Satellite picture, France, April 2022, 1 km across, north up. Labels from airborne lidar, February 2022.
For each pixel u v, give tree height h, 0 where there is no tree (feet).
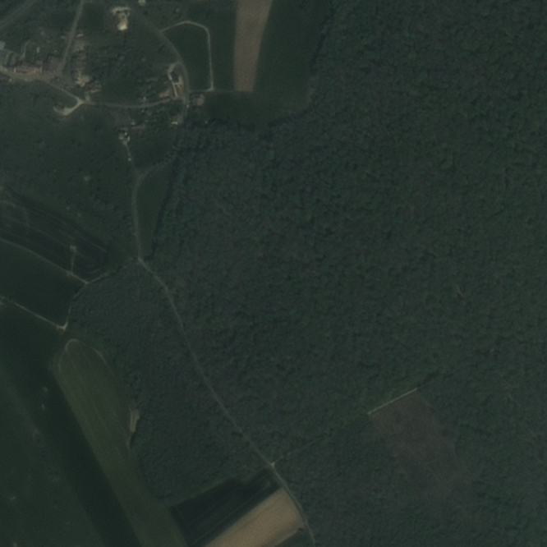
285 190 94
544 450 98
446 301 98
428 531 66
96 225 0
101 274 0
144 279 66
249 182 101
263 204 102
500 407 93
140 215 0
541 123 98
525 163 88
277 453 65
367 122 94
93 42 0
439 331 88
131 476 0
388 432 0
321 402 93
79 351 0
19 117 0
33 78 0
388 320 101
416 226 95
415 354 95
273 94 0
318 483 74
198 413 36
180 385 42
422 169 93
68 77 0
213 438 48
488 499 85
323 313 85
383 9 83
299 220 89
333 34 81
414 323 99
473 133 94
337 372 83
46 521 0
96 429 0
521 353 88
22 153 0
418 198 92
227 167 104
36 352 0
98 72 31
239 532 0
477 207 97
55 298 0
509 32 111
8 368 0
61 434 0
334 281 93
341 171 98
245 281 96
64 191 0
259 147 93
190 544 0
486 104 96
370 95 93
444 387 87
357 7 82
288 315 94
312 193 97
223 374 73
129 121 0
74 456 0
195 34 0
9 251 0
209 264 103
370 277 91
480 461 99
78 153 0
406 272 46
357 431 59
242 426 78
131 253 0
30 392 0
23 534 0
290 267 91
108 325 50
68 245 0
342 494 81
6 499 0
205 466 43
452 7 90
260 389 94
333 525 82
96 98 0
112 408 0
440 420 102
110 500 0
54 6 42
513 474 96
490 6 100
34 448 0
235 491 0
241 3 0
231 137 91
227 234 98
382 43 85
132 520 0
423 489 0
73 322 22
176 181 69
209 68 0
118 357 69
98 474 0
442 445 0
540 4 98
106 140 0
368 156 100
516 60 96
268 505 0
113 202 0
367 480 64
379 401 84
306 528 0
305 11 44
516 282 91
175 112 0
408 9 93
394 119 91
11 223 0
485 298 94
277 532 0
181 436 50
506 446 96
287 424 97
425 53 100
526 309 93
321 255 92
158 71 0
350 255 96
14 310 0
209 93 0
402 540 54
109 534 0
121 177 0
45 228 0
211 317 89
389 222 102
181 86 0
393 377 94
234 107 0
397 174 93
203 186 95
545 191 78
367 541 73
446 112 100
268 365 98
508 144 93
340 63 86
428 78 96
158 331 68
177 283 66
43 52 0
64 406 0
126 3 0
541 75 91
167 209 45
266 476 0
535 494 108
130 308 48
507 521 96
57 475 37
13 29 26
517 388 101
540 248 102
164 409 46
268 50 0
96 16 0
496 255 87
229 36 0
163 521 0
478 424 109
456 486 0
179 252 94
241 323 94
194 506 0
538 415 94
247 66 0
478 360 86
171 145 0
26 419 0
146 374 39
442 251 88
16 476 0
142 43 0
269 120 0
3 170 57
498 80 95
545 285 86
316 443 75
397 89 91
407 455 0
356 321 93
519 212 93
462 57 93
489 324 100
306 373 98
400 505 73
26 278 0
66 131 0
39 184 0
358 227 83
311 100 0
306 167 109
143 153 0
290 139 87
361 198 103
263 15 0
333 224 99
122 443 0
